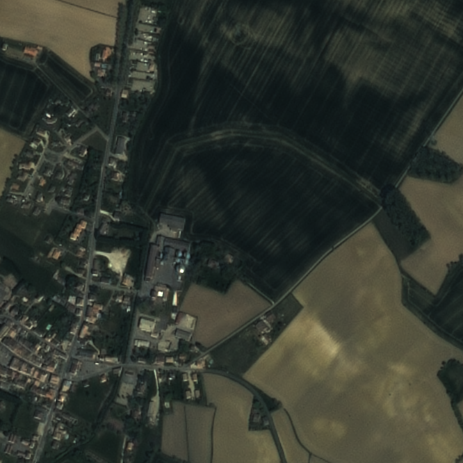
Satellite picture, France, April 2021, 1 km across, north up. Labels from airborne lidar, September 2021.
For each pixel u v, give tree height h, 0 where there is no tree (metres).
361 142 0
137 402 11
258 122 0
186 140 0
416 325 0
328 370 0
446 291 0
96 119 6
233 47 0
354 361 0
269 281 0
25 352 0
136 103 7
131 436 11
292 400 0
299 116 0
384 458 0
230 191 0
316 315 0
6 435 9
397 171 0
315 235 0
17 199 0
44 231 0
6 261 8
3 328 0
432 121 0
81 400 0
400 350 0
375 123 0
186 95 0
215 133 0
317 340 0
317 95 0
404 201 35
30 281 0
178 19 0
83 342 0
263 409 10
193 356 0
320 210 0
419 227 33
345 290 0
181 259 0
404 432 0
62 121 8
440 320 0
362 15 0
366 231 0
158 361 0
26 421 0
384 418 0
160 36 10
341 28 0
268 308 0
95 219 0
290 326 0
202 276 7
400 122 0
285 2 0
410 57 0
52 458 0
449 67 0
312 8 0
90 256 0
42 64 0
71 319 8
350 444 0
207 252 11
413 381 0
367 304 0
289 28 0
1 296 0
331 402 0
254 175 0
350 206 0
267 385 0
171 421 0
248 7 0
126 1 15
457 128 0
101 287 7
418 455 0
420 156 13
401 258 0
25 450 0
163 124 0
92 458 9
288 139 0
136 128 22
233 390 0
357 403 0
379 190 0
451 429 0
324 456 0
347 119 0
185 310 0
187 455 0
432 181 26
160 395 6
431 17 0
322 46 0
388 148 0
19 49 0
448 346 0
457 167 22
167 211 0
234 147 0
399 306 0
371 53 0
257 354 0
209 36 0
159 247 0
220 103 0
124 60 21
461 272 0
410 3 0
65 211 0
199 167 0
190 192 0
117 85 20
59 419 11
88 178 12
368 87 0
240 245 0
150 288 0
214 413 0
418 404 0
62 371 7
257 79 0
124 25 23
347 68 0
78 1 0
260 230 0
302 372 0
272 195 0
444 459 0
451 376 0
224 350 0
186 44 0
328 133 0
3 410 11
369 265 0
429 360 0
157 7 16
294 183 0
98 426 11
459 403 0
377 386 0
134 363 9
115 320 0
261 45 0
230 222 0
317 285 0
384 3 0
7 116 0
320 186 0
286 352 0
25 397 12
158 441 0
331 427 0
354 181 0
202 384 0
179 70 0
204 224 0
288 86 0
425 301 0
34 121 0
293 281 0
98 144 0
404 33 0
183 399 11
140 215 14
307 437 0
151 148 0
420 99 0
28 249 0
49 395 0
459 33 0
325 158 0
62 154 0
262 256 0
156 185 0
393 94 0
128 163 8
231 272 19
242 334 0
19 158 10
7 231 0
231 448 0
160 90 0
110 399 6
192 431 0
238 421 0
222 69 0
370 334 0
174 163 0
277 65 0
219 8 0
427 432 0
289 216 0
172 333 0
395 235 0
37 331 0
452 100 0
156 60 6
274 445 0
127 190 13
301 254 0
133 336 9
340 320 0
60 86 0
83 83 0
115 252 0
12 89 0
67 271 0
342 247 0
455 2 0
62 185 0
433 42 0
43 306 0
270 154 0
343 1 0
